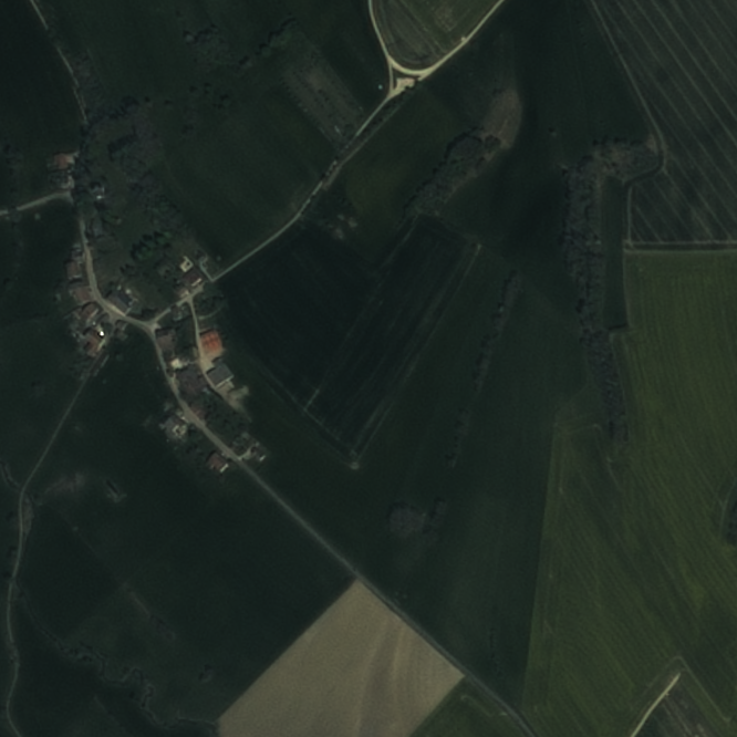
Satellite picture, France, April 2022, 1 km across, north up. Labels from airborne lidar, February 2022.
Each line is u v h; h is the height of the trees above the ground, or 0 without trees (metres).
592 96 0
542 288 0
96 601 0
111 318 0
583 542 0
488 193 0
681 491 0
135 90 0
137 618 0
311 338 0
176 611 0
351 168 0
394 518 17
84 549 0
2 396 0
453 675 0
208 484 0
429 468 0
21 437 0
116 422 0
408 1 0
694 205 0
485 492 0
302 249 0
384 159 0
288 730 0
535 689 0
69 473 0
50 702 0
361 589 0
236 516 0
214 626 0
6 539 0
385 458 0
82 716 0
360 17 0
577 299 0
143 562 0
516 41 0
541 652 0
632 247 0
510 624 0
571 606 0
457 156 25
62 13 0
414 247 0
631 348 0
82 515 0
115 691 0
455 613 0
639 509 0
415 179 0
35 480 0
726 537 0
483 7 0
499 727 0
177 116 0
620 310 0
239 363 0
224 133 0
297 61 0
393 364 0
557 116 0
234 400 0
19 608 0
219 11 0
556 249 0
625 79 0
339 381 0
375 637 0
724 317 0
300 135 0
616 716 0
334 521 0
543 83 0
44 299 0
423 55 0
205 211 0
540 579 0
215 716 0
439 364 0
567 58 0
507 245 0
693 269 0
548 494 0
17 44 0
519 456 0
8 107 0
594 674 0
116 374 0
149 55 0
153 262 0
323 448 0
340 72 0
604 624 0
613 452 0
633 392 0
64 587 0
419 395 0
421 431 0
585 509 0
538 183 0
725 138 0
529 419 0
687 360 0
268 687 0
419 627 0
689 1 0
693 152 0
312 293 0
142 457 0
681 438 0
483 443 0
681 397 0
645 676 0
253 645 0
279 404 0
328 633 0
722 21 0
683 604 0
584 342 6
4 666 0
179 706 0
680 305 0
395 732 0
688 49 0
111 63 0
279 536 0
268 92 0
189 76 0
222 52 18
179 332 8
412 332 0
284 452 0
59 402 0
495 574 0
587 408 0
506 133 0
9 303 0
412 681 0
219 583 0
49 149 0
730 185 0
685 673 0
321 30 0
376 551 0
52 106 0
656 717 0
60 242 0
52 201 0
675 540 0
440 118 0
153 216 27
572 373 0
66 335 0
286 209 0
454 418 0
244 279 0
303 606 0
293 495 0
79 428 0
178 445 0
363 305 0
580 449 0
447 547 0
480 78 0
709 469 0
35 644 0
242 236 0
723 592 0
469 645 0
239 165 0
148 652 0
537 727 0
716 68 0
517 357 0
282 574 0
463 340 0
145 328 0
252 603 0
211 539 0
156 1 0
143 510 0
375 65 0
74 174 7
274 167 0
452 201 0
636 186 0
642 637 0
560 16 0
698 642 0
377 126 11
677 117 0
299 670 0
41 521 0
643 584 0
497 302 0
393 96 0
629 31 0
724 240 0
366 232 0
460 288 0
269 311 0
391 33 0
